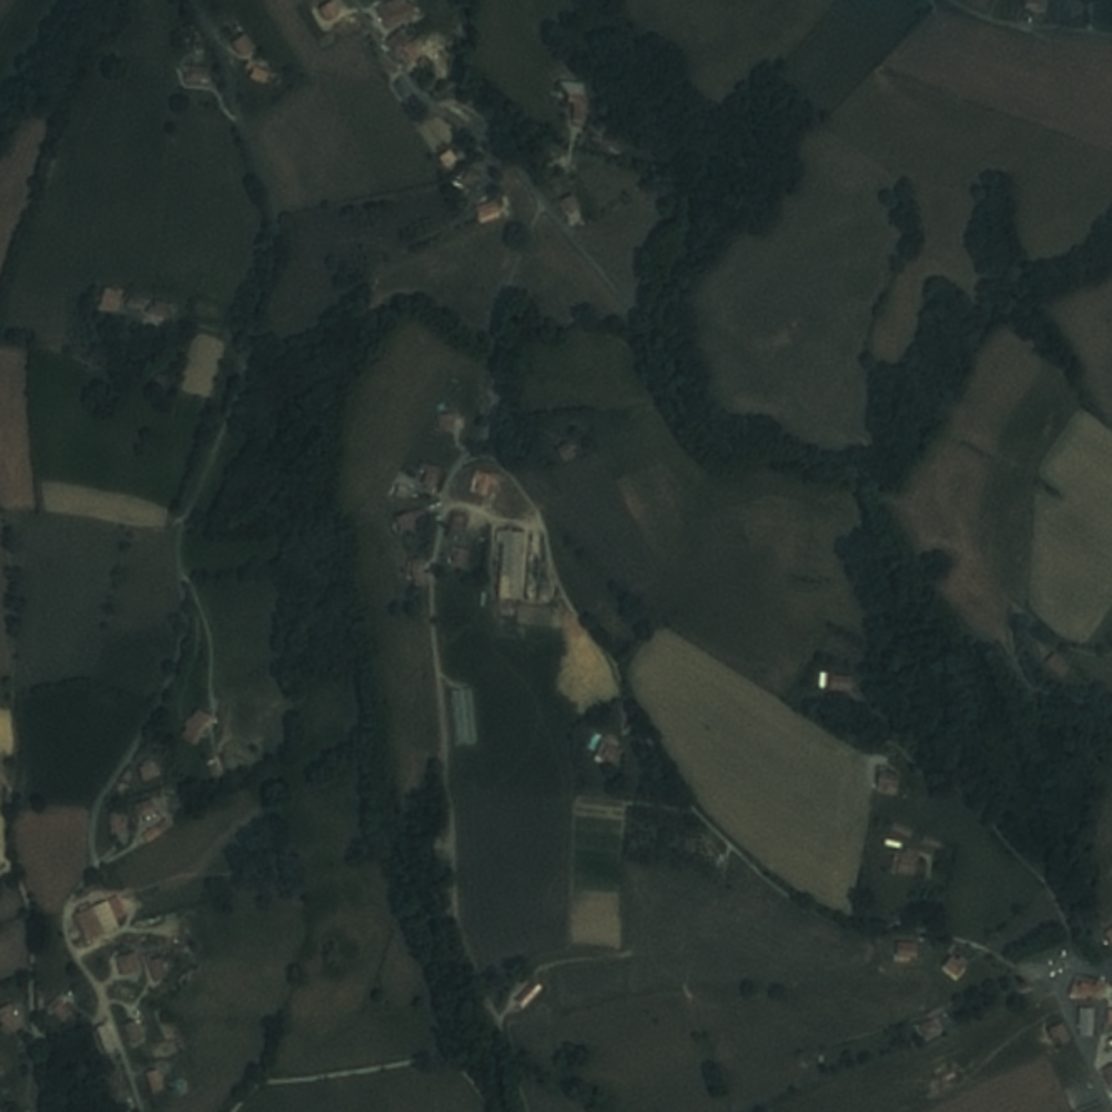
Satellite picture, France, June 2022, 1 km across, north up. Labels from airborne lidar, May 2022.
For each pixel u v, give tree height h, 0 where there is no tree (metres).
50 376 0
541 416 8
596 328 12
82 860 0
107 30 14
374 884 0
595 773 0
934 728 16
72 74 10
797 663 0
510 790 0
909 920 13
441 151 7
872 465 21
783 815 0
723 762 0
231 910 6
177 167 0
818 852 0
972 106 0
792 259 0
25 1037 8
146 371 18
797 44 0
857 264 0
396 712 0
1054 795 33
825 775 0
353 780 0
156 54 0
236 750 0
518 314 25
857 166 0
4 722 0
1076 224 0
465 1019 31
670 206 18
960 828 0
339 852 0
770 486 0
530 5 0
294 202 0
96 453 0
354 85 0
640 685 0
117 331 21
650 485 0
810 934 0
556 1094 0
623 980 0
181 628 13
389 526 0
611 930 0
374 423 0
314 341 10
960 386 22
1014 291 25
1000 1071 0
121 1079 0
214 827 0
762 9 0
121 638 0
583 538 0
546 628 0
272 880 11
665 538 0
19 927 0
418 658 0
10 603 18
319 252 0
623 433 0
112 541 0
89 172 0
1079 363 9
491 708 0
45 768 0
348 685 0
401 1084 0
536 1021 0
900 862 0
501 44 0
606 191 0
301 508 13
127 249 0
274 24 0
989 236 31
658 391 19
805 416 0
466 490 0
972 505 0
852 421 0
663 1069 0
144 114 0
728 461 28
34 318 0
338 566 22
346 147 0
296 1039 0
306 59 0
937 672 22
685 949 0
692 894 0
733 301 0
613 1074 0
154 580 0
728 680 0
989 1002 10
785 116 23
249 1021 0
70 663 0
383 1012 0
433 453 0
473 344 22
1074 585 0
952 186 0
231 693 0
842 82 0
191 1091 0
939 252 0
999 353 0
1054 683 9
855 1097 0
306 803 0
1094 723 28
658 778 18
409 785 0
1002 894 0
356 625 29
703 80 0
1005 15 0
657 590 0
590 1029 0
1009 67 0
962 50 0
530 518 0
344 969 0
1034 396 0
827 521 0
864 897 19
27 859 0
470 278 0
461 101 12
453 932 17
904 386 17
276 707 0
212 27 0
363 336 29
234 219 0
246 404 14
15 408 0
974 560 0
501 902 0
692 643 0
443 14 0
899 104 0
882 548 26
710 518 0
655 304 25
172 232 0
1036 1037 0
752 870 0
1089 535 0
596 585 0
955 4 0
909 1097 0
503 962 0
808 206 0
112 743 0
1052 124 0
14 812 14
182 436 0
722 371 0
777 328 0
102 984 0
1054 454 0
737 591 0
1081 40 0
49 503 0
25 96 22
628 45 17
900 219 23
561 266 0
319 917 0
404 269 0
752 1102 0
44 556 0
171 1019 9
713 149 27
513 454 23
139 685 0
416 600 7
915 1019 0
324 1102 0
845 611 0
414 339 0
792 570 0
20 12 0
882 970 0
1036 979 0
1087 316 0
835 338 0
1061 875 16
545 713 0
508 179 0
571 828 0
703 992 0
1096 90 0
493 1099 15
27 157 0
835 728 19
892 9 0
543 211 0
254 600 0
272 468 19
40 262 0
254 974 0
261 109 0
